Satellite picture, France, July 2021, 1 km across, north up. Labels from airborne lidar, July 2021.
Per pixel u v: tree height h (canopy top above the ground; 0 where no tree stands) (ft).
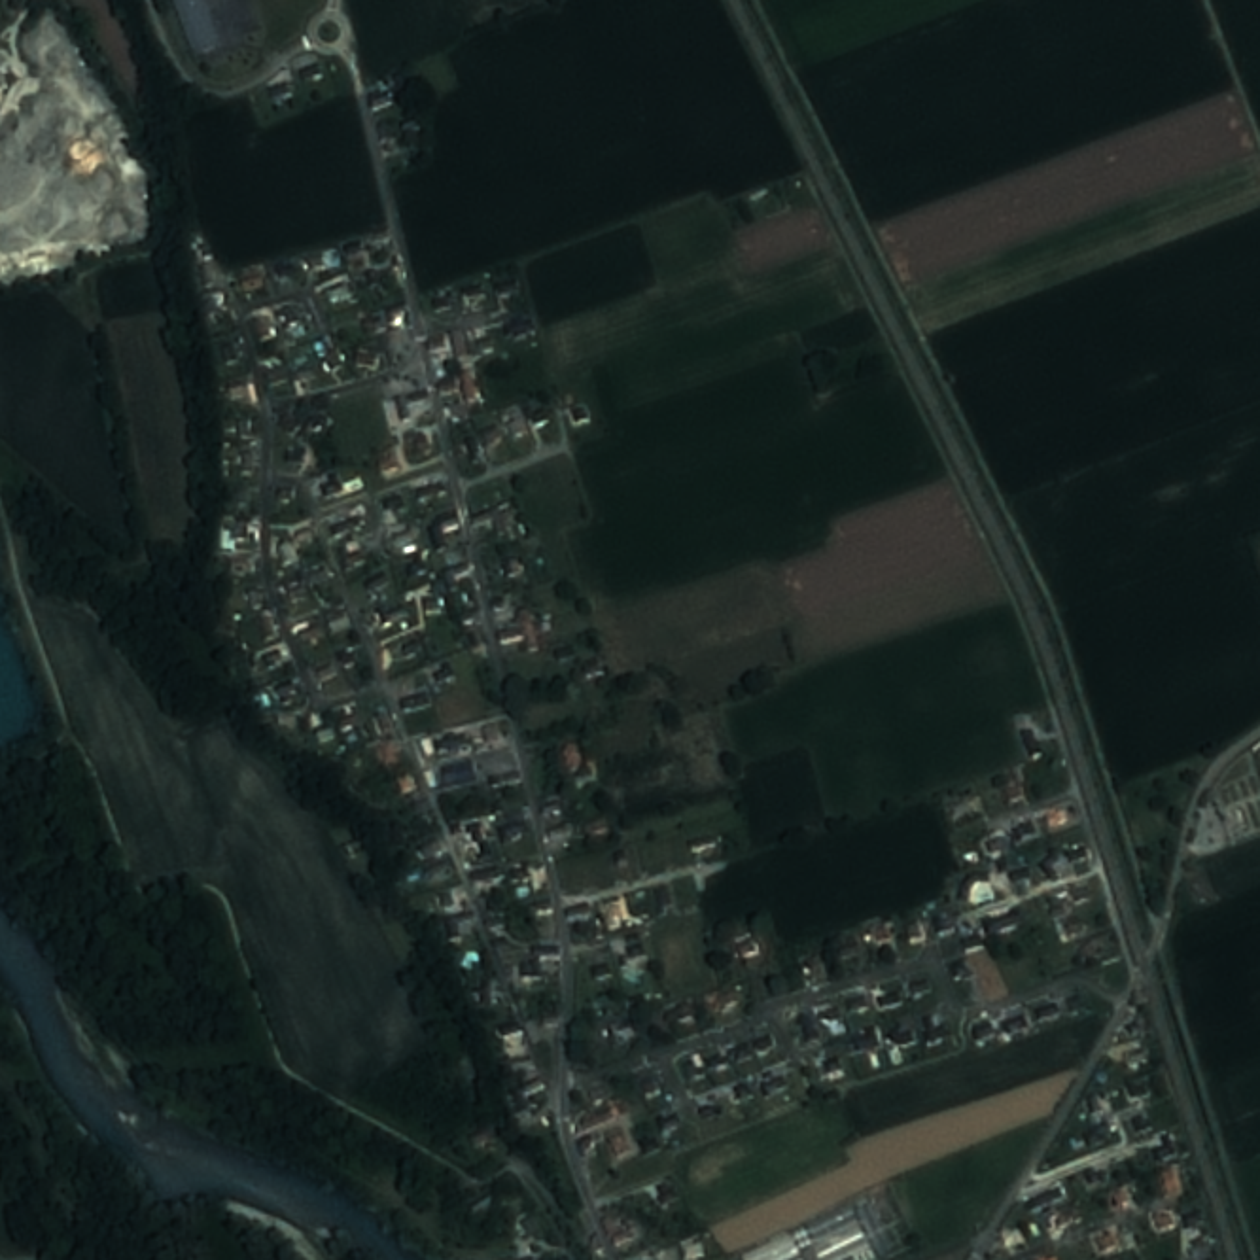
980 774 0
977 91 0
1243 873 0
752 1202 0
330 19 0
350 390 0
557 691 65
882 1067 0
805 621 0
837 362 47
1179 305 0
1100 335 0
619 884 0
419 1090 41
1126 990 0
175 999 42
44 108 0
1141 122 0
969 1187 0
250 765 0
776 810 0
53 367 0
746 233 0
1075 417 0
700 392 0
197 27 0
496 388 0
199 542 41
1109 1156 0
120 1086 0
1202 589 0
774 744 0
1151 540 0
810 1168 0
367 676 21
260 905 0
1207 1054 0
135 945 41
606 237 0
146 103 52
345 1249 62
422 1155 54
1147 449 0
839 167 0
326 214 0
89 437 0
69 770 85
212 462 22
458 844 0
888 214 0
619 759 25
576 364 0
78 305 0
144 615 49
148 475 0
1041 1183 0
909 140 0
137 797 0
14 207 0
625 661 0
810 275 0
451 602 21
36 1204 69
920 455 0
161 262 58
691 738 0
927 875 0
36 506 54
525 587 19
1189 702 0
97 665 0
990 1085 0
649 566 0
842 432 0
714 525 0
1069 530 0
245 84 0
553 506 0
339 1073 0
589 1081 0
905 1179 0
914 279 0
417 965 30
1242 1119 0
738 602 0
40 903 65
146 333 0
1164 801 26
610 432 0
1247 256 0
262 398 0
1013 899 0
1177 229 0
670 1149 0
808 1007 0
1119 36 0
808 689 0
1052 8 0
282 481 0
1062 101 0
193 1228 83
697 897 0
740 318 0
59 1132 54
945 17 0
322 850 0
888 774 0
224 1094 30
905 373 0
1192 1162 20
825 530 0
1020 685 0
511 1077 33
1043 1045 0
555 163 0
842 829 31
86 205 0
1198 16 0
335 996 0
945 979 0
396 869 25
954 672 0
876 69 0
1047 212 0
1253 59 0
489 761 0
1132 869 0
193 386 25
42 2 35
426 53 0
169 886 65
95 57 31
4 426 0
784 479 0
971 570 0
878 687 0
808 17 0
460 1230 30
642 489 0
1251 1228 0
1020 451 0
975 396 0
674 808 35
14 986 0
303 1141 57
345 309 0
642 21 0
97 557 29
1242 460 0
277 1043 26
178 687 55
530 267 0
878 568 0
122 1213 71
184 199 62
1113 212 0
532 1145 40
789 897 0
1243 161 0
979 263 0
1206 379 0
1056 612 0
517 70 0
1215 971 0
